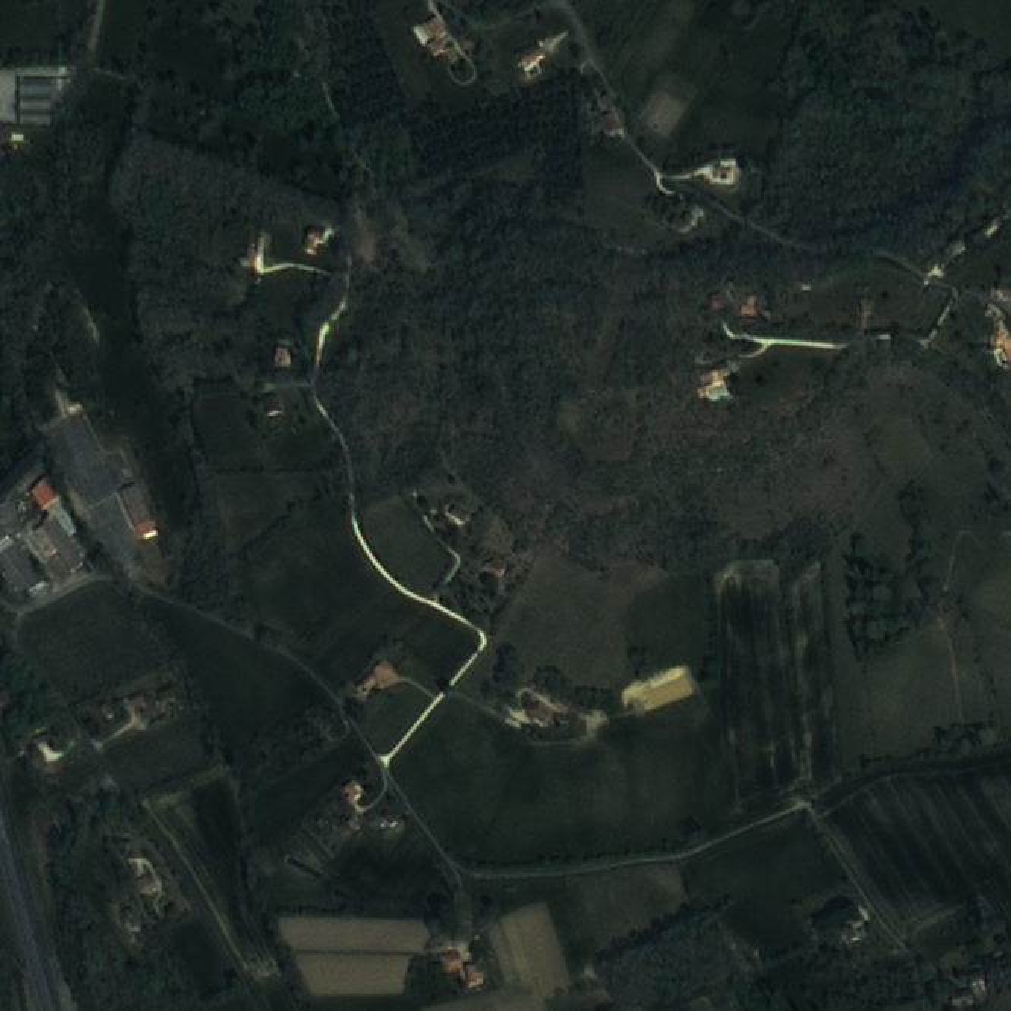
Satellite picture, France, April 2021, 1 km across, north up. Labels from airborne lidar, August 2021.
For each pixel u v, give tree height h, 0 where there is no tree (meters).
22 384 13
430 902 0
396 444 7
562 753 0
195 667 0
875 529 0
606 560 9
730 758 0
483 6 14
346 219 21
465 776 0
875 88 14
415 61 0
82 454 0
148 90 11
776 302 11
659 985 18
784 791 0
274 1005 0
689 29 0
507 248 10
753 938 0
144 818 17
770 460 7
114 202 13
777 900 0
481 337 13
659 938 14
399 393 17
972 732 7
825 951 11
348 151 11
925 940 0
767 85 7
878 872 0
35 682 22
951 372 15
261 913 16
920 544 12
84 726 12
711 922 19
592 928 0
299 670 0
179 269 18
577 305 14
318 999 0
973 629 0
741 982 21
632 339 11
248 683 0
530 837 0
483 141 8
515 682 20
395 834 0
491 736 0
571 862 12
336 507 0
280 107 18
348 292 17
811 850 0
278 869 0
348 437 22
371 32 8
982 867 0
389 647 11
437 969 7
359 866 0
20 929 0
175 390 20
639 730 0
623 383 8
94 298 0
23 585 0
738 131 0
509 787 0
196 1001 19
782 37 0
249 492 0
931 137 6
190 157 24
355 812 10
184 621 0
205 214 7
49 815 0
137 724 0
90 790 0
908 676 0
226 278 20
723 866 0
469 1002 0
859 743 0
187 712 10
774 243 6
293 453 0
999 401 11
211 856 0
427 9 0
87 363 9
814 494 0
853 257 14
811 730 0
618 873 0
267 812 0
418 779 0
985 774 0
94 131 12
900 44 13
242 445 0
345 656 0
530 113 7
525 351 9
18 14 0
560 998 11
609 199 0
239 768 27
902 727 0
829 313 0
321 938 0
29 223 10
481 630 19
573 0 6
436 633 0
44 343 9
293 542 0
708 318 10
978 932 6
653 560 10
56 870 14
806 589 0
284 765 7
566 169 8
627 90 0
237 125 0
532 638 0
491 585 14
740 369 0
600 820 0
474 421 11
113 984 12
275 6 18
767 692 0
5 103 0
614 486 10
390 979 0
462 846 0
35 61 11
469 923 20
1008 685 0
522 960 0
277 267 0
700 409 7
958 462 0
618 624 0
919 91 11
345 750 0
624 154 0
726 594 0
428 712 0
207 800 0
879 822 0
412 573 0
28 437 23
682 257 7
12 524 0
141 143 20
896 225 17
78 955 7
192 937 0
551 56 0
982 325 0
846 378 9
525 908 0
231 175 21
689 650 0
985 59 22
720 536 17
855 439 0
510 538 6
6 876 0
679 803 0
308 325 26
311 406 14
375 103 12
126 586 27
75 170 12
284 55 21
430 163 8
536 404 6
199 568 8
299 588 0
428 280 6
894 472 0
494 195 19
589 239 16
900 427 0
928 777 0
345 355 10
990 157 26
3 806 0
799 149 12
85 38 8
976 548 0
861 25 12
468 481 11
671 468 7
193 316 15
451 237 7
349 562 0
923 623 22
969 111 9
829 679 0
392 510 0
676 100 0
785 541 17
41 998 0
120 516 0
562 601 0
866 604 15
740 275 13
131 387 0
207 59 0
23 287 27
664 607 0
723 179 0
